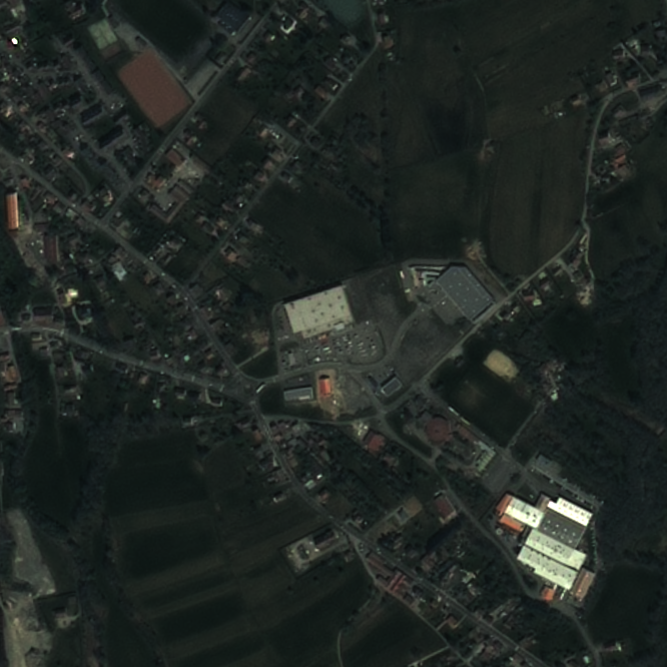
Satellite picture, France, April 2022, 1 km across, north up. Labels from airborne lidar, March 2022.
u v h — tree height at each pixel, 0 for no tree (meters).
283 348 0
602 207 0
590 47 0
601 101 9
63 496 0
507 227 0
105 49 0
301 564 0
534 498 0
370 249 0
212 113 0
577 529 0
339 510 0
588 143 6
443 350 0
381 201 0
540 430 0
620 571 0
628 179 0
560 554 0
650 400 22
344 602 0
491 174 0
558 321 0
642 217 0
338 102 0
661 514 23
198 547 0
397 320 0
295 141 0
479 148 0
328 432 7
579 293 0
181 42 0
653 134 0
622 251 0
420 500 0
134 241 0
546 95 0
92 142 0
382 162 0
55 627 0
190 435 0
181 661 0
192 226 0
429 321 0
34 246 0
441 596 0
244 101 0
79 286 0
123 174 0
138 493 0
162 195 0
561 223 0
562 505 0
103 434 25
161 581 0
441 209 0
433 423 0
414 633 0
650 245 16
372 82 0
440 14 0
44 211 7
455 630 0
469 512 0
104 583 0
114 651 0
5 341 0
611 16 0
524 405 0
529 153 0
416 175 0
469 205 0
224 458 0
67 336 0
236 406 6
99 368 0
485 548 17
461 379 0
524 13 0
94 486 19
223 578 0
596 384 18
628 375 0
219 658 0
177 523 0
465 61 0
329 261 0
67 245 6
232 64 0
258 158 0
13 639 0
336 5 0
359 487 11
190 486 0
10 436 0
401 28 0
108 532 13
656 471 22
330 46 0
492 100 0
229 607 0
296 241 0
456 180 0
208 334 0
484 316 0
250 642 0
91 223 0
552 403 13
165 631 0
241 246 0
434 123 0
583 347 0
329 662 0
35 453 0
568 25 0
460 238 0
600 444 16
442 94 0
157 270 0
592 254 0
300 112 9
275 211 0
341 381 0
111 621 0
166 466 0
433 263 0
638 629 0
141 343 0
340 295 0
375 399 0
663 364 19
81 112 0
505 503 0
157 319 0
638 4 0
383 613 0
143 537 0
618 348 0
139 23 0
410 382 0
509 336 0
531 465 0
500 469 0
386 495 0
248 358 0
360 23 0
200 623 0
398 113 0
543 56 0
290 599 0
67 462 0
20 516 0
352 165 0
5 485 0
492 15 0
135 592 0
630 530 26
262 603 0
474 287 0
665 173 0
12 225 0
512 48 0
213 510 0
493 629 0
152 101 0
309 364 0
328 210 0
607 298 21
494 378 0
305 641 0
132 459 0
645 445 23
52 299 0
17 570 0
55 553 0
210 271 0
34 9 20
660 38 9
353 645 0
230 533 0
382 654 0
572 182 0
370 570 0
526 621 12
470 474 0
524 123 0
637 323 12
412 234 0
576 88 0
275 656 0
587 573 0
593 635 0
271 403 0
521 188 0
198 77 0
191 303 0
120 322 0
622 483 20
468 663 0
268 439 0
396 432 0
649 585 0
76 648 0
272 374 0
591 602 16
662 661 19
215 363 0
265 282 0
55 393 0
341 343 0
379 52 0
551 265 0
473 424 0
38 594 0
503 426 0
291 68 10
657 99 0
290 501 0
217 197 0
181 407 0
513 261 0
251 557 0
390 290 0
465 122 0
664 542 0
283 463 0
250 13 11
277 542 0
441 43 0
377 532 0
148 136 0
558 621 9
